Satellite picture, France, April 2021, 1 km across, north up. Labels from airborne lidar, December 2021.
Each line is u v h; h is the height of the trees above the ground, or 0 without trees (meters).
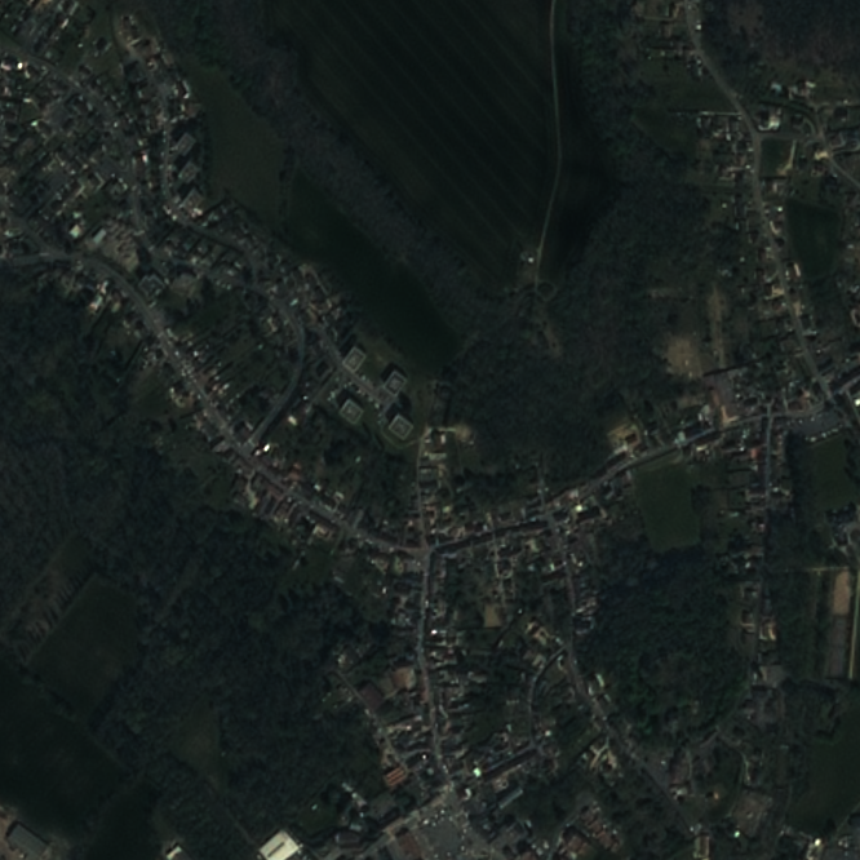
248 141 0
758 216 0
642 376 14
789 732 15
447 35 0
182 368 0
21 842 0
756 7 0
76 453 27
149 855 0
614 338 22
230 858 13
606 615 24
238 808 18
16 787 0
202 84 0
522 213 0
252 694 20
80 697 0
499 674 9
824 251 0
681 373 0
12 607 38
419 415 0
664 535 0
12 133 14
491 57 0
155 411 0
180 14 19
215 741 0
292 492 0
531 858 0
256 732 20
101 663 0
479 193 0
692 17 0
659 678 14
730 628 19
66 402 25
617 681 16
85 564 0
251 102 16
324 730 24
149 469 26
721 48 17
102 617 0
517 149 0
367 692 0
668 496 0
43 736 0
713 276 0
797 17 18
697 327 0
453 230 0
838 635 0
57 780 0
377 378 0
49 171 0
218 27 17
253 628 24
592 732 0
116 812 0
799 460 21
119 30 0
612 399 16
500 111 0
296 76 13
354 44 0
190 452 0
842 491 0
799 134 0
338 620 8
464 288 13
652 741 15
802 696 22
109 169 0
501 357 12
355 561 0
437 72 0
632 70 19
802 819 0
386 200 15
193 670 21
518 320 8
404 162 0
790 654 19
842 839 0
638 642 25
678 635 18
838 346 0
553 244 0
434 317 0
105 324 0
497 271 0
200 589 7
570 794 23
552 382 12
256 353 0
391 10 0
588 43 17
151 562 32
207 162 7
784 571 16
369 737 8
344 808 13
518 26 0
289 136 11
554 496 0
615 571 18
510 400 17
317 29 0
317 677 22
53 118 0
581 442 16
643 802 9
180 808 10
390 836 0
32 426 8
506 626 14
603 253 12
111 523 32
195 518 8
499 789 0
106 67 0
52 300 18
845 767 0
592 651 13
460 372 17
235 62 16
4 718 0
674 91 0
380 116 0
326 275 8
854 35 15
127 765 11
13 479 38
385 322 0
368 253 0
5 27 0
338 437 11
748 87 14
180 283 0
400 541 0
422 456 0
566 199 0
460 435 0
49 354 32
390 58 0
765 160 0
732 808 0
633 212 18
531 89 0
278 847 0
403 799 11
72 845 0
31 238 0
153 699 19
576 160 0
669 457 0
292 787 15
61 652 0
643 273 21
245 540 10
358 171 19
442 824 0
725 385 0
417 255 18
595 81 7
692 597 22
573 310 11
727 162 6
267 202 0
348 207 18
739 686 17
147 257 17
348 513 0
